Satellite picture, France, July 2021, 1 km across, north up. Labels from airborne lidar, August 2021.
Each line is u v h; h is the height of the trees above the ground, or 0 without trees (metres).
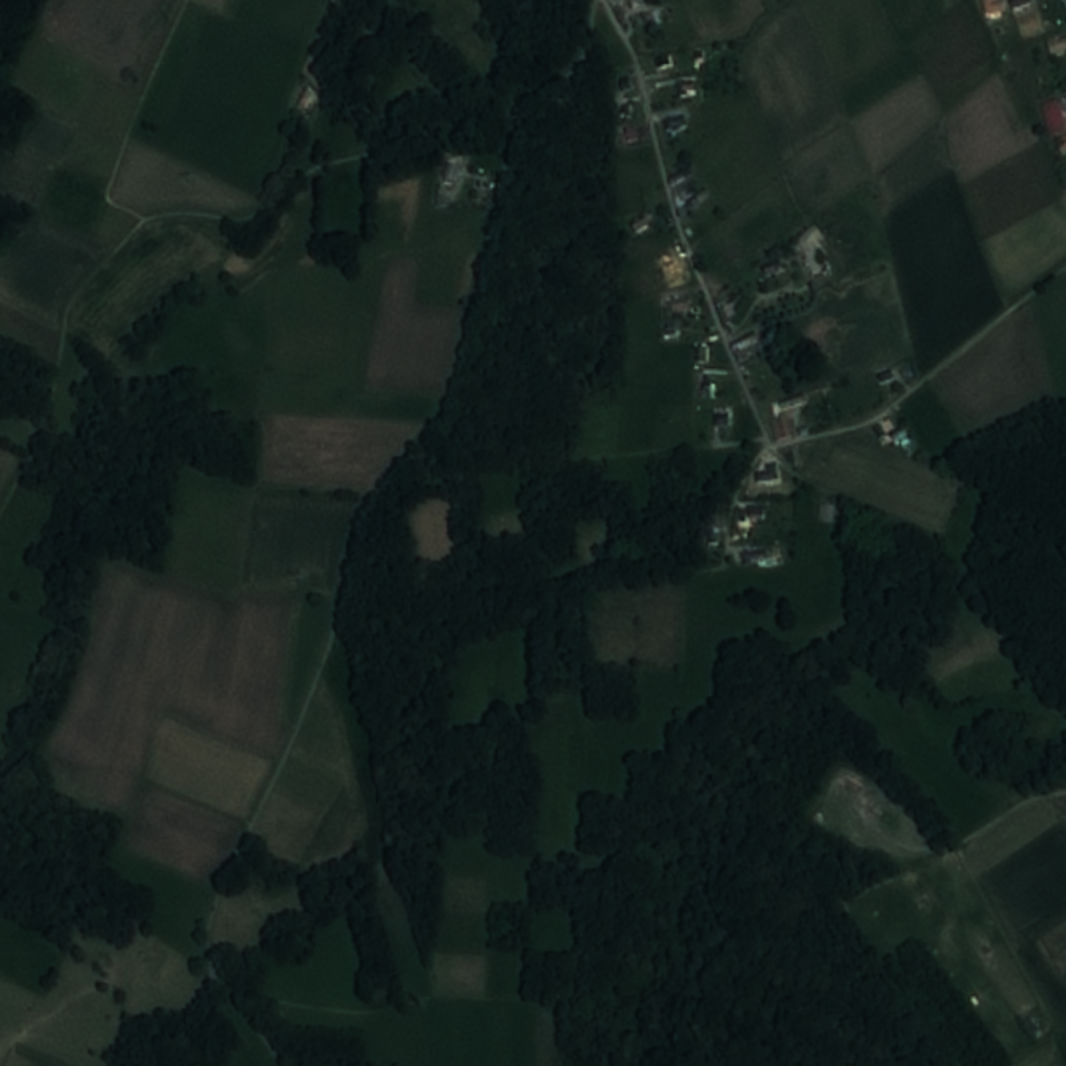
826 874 30
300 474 0
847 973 23
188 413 28
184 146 0
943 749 0
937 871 0
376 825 0
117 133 0
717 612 0
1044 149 0
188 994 0
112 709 0
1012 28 0
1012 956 0
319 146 13
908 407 0
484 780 24
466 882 0
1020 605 22
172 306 16
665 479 14
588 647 21
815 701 30
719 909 31
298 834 0
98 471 29
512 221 28
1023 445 24
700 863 31
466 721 0
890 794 18
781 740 23
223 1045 22
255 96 0
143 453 27
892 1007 22
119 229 0
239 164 0
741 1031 28
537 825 18
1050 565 24
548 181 31
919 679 23
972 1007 8
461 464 24
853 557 18
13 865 26
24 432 0
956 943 0
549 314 28
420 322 0
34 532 0
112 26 0
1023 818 0
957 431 0
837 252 0
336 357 0
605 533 0
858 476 0
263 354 0
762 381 0
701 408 0
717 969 29
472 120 27
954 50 0
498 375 18
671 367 0
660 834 22
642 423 0
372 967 21
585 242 24
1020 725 7
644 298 0
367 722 20
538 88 17
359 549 24
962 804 0
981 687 0
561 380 25
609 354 27
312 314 0
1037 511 24
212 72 0
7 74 17
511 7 12
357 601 22
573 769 0
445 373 0
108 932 22
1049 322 0
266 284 0
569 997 16
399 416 0
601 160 23
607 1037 28
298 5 0
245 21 0
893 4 0
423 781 24
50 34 0
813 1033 25
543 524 24
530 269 27
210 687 0
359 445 0
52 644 17
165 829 0
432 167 16
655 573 21
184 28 0
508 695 0
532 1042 0
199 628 0
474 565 24
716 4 0
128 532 23
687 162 12
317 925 16
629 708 19
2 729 0
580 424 19
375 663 24
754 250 0
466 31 0
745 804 29
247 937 0
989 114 0
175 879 0
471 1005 0
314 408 0
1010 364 0
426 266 0
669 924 22
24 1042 0
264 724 0
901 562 24
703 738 28
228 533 0
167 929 0
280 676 0
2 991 0
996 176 0
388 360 0
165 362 0
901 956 10
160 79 0
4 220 18
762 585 0
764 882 21
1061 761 26
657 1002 18
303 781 0
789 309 8
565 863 20
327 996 0
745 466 21
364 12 20
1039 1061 0
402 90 0
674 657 0
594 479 13
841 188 0
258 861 21
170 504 28
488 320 22
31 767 18
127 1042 14
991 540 22
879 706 0
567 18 29
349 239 23
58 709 12
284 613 0
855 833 0
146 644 0
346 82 25
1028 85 0
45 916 23
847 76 0
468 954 0
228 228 14
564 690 21
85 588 20
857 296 0
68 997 0
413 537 17
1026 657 19
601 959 21
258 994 16
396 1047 0
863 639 24
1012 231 0
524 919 12
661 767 25
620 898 12
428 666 25
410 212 0
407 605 27
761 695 24
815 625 0
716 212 8
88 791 0
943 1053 7
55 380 21
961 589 21
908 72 0
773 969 26
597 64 21
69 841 19
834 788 0
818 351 19
